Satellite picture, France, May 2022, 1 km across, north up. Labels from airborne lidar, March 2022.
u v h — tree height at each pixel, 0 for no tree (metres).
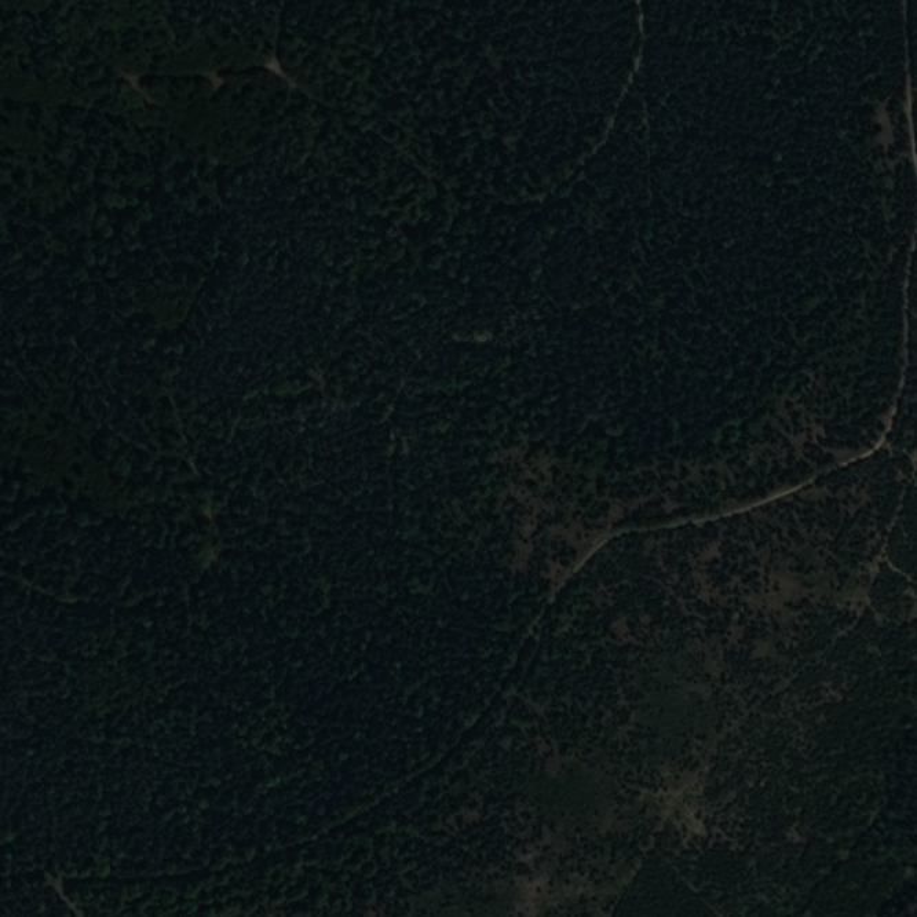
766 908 9
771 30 18
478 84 26
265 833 27
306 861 18
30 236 38
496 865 6
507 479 16
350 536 20
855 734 10
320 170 31
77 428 21
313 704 24
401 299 24
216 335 30
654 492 7
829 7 21
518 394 23
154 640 29
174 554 28
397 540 16
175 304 14
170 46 29
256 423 19
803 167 26
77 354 31
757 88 22
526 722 8
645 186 8
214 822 30
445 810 8
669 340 12
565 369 14
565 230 31
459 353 19
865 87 21
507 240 24
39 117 17
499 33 20
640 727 7
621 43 26
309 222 31
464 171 17
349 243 30
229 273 32
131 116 18
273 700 28
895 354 12
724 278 32
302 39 38
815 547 9
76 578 33
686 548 10
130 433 31
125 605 16
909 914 31
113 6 31
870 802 11
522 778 8
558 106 18
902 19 18
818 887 10
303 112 29
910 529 7
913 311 10
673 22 23
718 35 11
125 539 37
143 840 26
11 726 30
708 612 11
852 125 23
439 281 10
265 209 30
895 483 9
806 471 11
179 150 20
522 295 28
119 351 30
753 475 9
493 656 24
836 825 10
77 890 26
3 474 12
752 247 30
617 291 22
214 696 26
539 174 22
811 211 23
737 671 8
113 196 38
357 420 18
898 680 10
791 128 20
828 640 6
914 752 27
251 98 18
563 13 29
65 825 30
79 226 41
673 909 6
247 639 31
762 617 9
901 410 12
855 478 8
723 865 8
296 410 20
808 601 8
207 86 15
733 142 21
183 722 32
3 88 21
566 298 23
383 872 8
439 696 25
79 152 14
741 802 6
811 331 20
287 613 18
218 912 16
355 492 22
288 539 29
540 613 13
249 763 26
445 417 17
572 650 10
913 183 13
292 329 32
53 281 34
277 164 30
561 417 30
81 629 31
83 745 28
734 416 19
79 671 31
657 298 18
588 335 35
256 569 23
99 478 13
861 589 0
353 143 10
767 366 11
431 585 26
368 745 13
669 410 34
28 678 36
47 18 32
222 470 26
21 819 32
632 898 7
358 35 24
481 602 24
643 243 9
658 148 9
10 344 16
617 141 11
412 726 27
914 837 30
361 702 25
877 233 9
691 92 19
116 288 36
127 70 10
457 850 9
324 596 10
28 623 29
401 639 23
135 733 28
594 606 11
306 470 14
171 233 35
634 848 7
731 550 8
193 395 28
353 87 30
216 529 11
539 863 6
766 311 24
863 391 10
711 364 7
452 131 37
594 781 0
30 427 18
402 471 18
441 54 39
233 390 25
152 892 7
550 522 10
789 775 6
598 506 6
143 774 31
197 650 27
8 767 26
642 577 6
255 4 30
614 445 18
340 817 8
